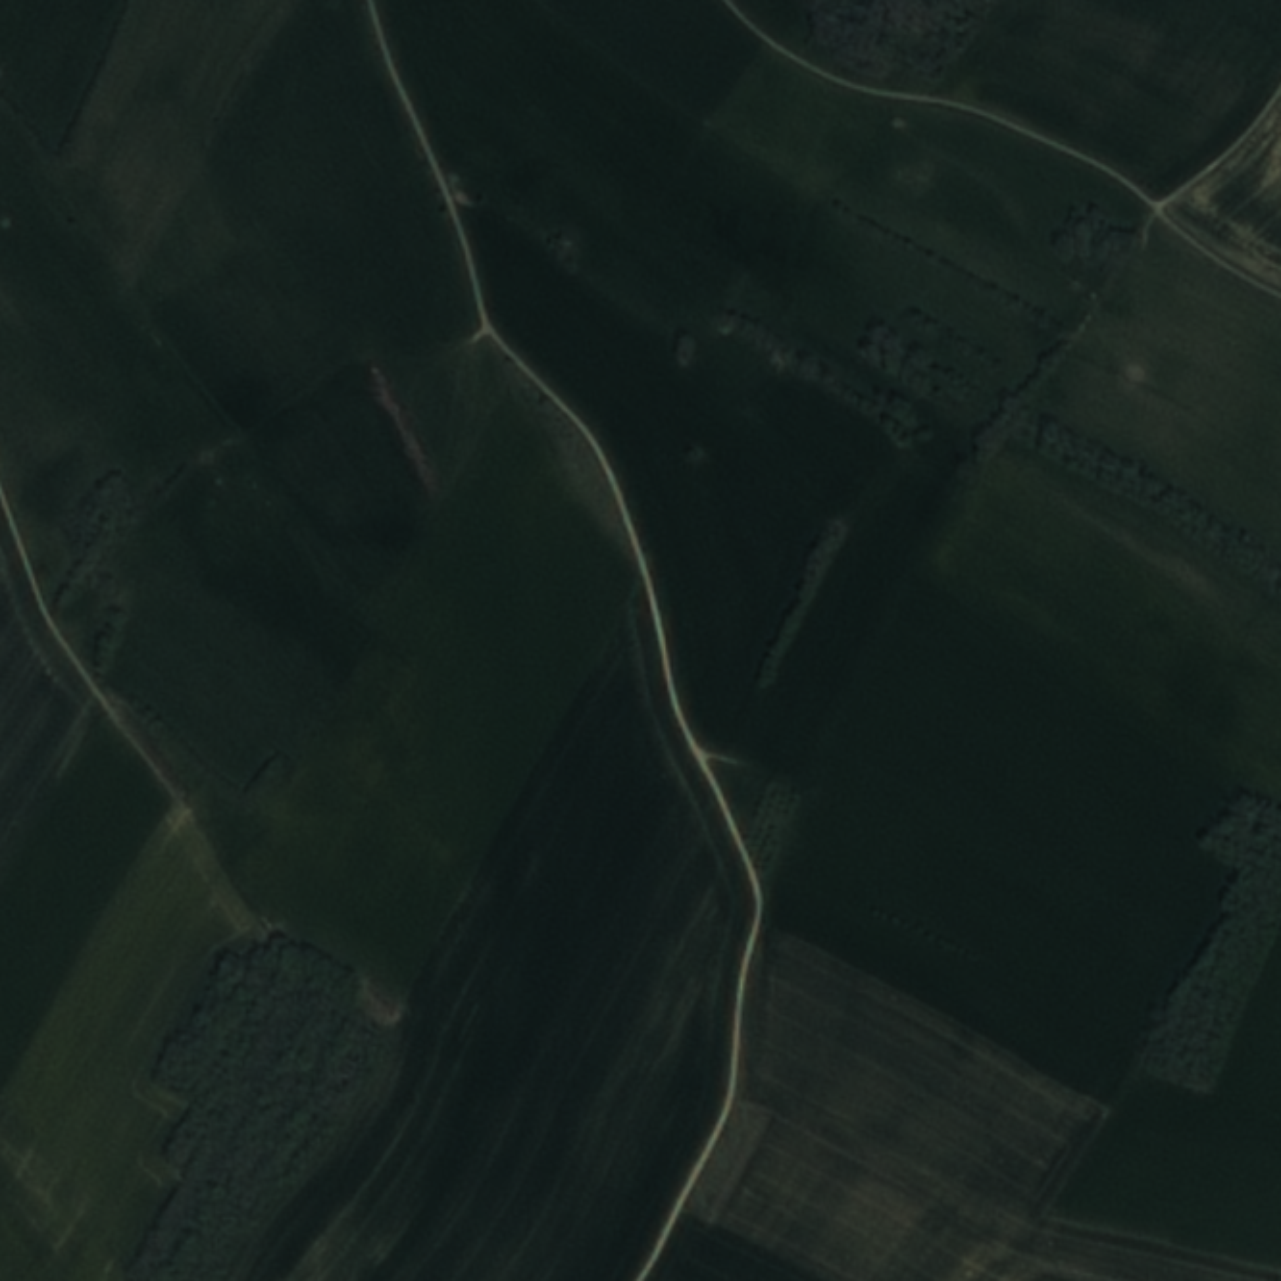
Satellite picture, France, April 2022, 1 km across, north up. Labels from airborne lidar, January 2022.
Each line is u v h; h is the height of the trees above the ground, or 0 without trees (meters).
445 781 0
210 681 0
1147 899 0
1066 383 0
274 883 0
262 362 0
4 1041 0
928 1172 0
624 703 0
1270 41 0
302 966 16
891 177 0
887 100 0
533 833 0
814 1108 0
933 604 0
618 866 0
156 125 0
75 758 0
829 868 0
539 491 0
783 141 0
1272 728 0
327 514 0
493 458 0
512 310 0
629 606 0
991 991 0
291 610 0
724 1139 0
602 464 0
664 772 0
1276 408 0
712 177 0
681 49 0
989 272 0
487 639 0
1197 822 0
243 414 0
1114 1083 0
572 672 0
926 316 8
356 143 0
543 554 0
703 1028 0
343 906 0
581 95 0
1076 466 13
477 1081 0
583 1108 0
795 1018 0
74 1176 0
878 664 0
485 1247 0
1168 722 0
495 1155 0
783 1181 0
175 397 0
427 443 0
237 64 0
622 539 0
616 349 0
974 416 0
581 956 0
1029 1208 0
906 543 0
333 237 0
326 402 0
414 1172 0
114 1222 0
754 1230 0
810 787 0
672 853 0
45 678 0
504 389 0
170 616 0
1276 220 0
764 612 0
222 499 0
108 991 0
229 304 0
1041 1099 0
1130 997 0
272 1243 0
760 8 0
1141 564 0
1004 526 0
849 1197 0
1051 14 0
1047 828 0
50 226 0
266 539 0
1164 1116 0
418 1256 0
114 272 0
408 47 0
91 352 0
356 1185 0
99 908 0
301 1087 16
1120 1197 0
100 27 0
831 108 0
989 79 0
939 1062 0
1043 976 0
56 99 0
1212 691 0
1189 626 0
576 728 0
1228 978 17
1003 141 0
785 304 0
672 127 0
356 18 0
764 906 0
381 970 0
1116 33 0
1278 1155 0
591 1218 0
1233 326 0
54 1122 0
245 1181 16
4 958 0
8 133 0
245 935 0
